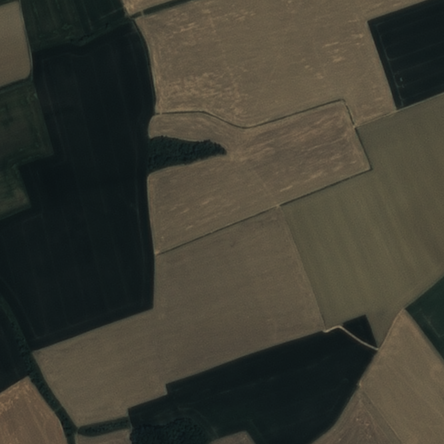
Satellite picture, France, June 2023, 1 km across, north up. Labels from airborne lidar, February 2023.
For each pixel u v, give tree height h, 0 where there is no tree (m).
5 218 0
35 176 0
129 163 0
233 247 0
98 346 0
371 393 0
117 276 0
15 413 0
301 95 0
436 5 0
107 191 0
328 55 0
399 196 0
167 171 0
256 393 0
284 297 0
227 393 0
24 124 0
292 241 0
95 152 0
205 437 15
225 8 0
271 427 0
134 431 8
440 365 0
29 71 0
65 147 0
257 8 0
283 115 0
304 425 0
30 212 0
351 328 0
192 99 0
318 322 0
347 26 0
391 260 0
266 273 0
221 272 0
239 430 0
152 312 0
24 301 0
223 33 0
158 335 0
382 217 0
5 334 0
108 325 0
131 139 0
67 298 0
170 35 0
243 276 0
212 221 0
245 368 0
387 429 0
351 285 0
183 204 0
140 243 0
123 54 0
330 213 0
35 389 0
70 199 0
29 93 0
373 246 0
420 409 0
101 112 0
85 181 0
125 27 0
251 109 0
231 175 0
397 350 0
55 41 0
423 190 0
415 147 0
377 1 0
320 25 0
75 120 0
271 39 0
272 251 0
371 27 0
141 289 0
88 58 0
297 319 0
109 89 0
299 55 0
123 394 0
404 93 0
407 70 0
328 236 0
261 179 0
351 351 0
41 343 0
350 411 0
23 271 0
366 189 0
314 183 0
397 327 0
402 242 0
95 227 0
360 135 0
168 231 0
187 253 0
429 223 0
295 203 0
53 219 0
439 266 0
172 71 0
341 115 0
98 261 0
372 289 0
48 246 0
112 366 0
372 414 0
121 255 0
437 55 0
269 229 0
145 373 0
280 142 0
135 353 0
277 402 0
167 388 0
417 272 0
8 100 0
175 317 0
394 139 0
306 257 0
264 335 0
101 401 0
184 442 28
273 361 0
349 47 0
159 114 0
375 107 0
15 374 0
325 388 0
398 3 0
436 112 0
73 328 0
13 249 0
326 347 0
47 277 0
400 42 0
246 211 0
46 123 0
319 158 0
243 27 0
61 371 0
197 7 0
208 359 0
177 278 0
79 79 0
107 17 0
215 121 0
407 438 0
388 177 0
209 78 0
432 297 0
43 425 0
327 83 0
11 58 0
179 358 0
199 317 0
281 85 0
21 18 0
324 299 0
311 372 0
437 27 0
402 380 0
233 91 0
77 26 0
